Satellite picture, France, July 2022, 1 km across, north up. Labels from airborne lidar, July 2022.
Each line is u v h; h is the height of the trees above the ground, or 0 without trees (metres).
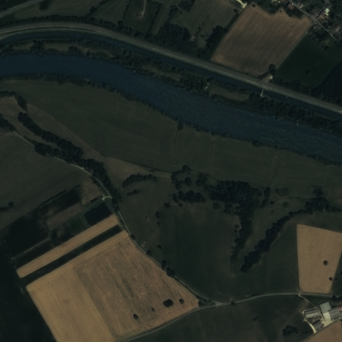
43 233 0
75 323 0
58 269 0
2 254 0
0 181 0
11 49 6
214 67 0
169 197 0
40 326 0
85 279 0
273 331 0
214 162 0
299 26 0
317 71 0
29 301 0
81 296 0
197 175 0
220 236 0
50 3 0
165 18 0
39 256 0
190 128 0
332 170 0
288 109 20
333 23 7
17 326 0
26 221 0
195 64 0
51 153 20
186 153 0
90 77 0
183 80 9
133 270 0
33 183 0
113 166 0
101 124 0
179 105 0
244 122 0
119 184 0
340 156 0
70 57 0
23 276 0
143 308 0
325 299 0
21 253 0
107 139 0
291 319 0
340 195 0
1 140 0
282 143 0
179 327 0
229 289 0
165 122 0
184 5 6
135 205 0
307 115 20
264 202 8
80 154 16
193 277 0
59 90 0
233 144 0
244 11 0
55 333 0
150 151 0
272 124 0
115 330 0
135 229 0
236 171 0
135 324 0
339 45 6
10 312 0
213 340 0
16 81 0
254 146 11
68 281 0
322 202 21
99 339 0
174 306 0
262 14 0
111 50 24
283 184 0
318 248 0
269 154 0
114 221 0
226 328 0
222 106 0
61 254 0
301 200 0
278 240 0
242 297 0
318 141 0
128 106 0
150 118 0
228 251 0
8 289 0
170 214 0
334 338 0
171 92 0
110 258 0
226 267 0
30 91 0
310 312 0
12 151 0
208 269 0
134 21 0
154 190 0
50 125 0
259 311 0
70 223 0
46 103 0
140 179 9
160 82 0
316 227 0
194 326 0
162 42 6
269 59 0
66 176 0
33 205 0
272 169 0
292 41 0
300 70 0
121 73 0
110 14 0
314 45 0
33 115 0
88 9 0
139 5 0
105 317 0
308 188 0
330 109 0
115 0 0
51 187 0
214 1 0
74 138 0
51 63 0
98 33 0
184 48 9
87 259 0
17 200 0
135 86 0
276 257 0
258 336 0
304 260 0
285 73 0
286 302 0
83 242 0
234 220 0
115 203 18
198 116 0
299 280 0
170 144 0
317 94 22
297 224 0
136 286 0
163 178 0
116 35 0
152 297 0
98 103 0
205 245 0
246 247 0
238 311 0
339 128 21
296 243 0
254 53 0
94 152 0
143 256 0
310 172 0
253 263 16
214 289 0
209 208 0
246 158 0
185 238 0
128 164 0
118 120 0
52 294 0
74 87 0
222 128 0
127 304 0
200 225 0
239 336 0
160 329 0
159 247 13
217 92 0
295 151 0
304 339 0
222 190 19
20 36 0
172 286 0
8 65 0
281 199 0
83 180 0
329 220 0
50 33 0
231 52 0
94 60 0
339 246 0
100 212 8
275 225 11
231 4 0
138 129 0
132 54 20
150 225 0
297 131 0
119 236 0
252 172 0
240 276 0
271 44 0
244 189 26
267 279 0
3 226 0
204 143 0
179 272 0
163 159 0
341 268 0
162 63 16
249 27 0
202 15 0
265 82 0
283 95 0
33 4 0
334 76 24
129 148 0
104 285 0
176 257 0
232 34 0
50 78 6
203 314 0
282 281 0
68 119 0
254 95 17
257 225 0
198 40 0
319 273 0
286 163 0
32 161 0
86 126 0
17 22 8
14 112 0
